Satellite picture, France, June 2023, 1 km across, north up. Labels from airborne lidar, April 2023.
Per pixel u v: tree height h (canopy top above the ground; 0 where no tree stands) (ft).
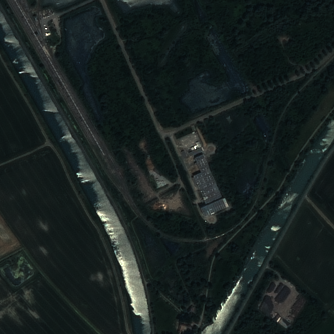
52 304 0
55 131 0
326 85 21
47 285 0
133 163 0
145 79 22
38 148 0
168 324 0
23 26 0
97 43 0
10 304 0
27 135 0
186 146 0
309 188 0
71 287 0
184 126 0
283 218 0
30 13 0
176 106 0
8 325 0
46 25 0
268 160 0
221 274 0
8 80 0
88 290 0
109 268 0
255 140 48
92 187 0
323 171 0
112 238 0
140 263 0
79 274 0
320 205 0
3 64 0
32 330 0
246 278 0
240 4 0
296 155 0
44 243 0
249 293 0
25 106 0
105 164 0
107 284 0
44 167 0
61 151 0
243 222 0
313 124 0
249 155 0
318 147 0
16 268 0
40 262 0
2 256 0
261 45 26
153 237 0
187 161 0
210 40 0
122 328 0
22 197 0
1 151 0
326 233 0
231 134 0
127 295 0
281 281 0
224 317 0
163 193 0
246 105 31
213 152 0
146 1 0
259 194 0
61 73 0
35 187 0
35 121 0
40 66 33
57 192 0
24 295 0
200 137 0
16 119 0
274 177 0
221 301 0
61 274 0
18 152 0
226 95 0
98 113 0
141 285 0
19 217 0
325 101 0
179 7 0
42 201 0
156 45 0
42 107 0
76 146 0
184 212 0
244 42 28
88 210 0
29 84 0
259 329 50
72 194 0
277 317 0
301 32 0
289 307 0
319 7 62
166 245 0
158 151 20
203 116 0
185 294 38
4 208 0
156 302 0
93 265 0
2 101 0
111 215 0
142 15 25
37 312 0
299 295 0
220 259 29
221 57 0
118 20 0
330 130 0
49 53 0
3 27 0
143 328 0
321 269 0
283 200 0
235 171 20
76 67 0
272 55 17
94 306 0
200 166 0
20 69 0
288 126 51
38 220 0
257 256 0
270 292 0
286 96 21
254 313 32
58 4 0
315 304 73
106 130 0
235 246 47
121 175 0
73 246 0
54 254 0
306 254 0
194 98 0
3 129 0
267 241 0
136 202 0
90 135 0
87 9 0
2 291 0
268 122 0
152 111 0
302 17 42
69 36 0
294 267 0
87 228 0
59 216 0
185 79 0
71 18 0
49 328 0
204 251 20
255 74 30
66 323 0
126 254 0
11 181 0
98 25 0
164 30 41
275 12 37
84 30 0
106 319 0
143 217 0
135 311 0
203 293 0
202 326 0
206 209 0
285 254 0
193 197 41
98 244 0
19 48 0
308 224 0
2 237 0
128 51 31
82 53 0
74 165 0
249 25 52
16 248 0
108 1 0
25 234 0
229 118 0
